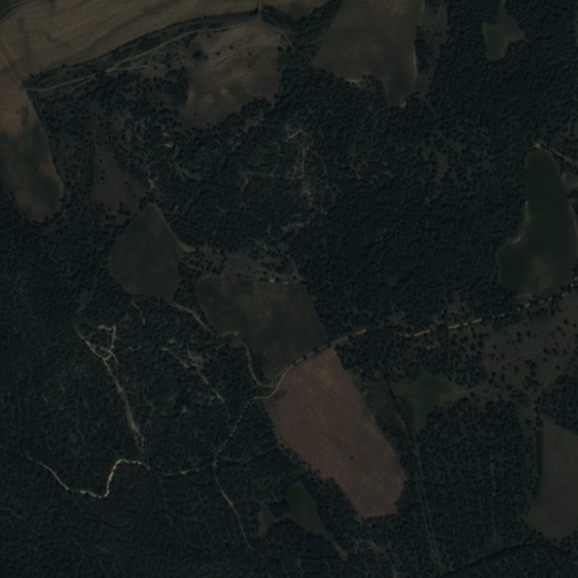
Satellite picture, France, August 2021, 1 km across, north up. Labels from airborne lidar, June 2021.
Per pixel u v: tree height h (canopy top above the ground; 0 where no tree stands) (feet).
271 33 0
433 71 0
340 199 26
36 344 37
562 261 0
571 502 0
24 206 0
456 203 22
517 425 31
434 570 21
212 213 33
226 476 33
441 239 49
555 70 33
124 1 0
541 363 0
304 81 24
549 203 0
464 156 21
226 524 38
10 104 0
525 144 37
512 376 0
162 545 25
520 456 34
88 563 29
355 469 0
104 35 0
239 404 29
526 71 40
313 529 0
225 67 0
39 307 22
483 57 37
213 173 25
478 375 28
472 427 25
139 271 0
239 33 0
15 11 0
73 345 18
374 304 45
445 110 32
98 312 18
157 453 18
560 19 50
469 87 53
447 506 28
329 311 38
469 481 26
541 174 0
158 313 22
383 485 0
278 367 0
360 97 25
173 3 0
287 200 22
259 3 0
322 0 0
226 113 0
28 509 19
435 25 0
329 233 31
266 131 28
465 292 42
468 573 35
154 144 26
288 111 25
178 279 0
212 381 28
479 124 26
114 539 22
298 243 46
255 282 0
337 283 44
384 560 24
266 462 32
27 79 0
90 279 25
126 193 0
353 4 0
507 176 30
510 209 28
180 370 20
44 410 32
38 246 40
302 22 22
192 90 0
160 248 0
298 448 0
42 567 23
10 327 40
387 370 33
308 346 0
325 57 0
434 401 0
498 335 0
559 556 32
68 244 21
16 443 40
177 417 26
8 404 42
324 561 34
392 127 30
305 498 0
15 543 20
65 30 0
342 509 31
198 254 22
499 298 33
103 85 21
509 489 25
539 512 0
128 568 26
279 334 0
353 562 44
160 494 40
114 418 29
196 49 0
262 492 34
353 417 0
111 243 24
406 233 41
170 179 23
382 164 24
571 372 0
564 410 30
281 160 21
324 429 0
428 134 30
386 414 0
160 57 0
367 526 33
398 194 30
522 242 0
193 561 20
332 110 19
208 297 0
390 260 42
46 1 0
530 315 40
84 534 28
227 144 24
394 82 0
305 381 0
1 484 29
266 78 0
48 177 0
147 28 0
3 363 37
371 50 0
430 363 28
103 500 20
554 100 38
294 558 37
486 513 20
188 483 23
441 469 31
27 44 0
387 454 0
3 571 40
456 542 28
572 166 27
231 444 22
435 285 48
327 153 28
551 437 0
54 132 25
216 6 0
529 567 36
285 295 0
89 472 27
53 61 0
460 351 29
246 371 27
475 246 47
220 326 0
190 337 21
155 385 25
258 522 40
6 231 40
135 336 22
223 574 26
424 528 25
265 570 34
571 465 0
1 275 19
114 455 32
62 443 30
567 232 0
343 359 24
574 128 21
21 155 0
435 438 32
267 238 18
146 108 28
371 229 32
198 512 31
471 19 52
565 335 26
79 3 0
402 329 33
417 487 39
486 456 28
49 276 26
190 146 28
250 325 0
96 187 0
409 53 0
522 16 53
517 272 0
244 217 33
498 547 0
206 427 28
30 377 29
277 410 0
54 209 0
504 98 43
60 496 46
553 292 0
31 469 38
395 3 0
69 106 25
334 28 0
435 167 26
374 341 40
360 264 36
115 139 24
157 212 0
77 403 26
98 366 24
